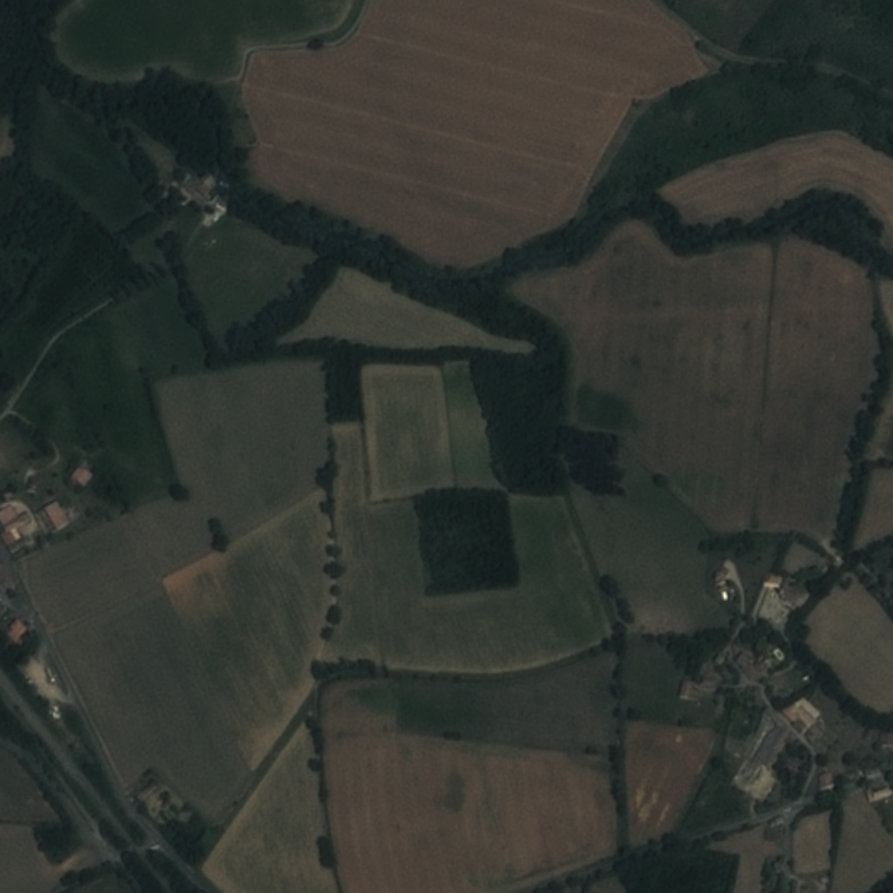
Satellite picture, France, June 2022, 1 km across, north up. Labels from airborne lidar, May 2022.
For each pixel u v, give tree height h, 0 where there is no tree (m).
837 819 8
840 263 0
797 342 0
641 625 0
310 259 0
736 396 0
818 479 0
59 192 21
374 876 0
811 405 0
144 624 0
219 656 0
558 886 17
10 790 0
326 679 11
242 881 0
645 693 0
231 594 0
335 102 0
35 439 13
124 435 0
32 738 13
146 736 0
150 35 0
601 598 0
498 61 0
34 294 15
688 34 0
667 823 0
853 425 0
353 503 0
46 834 12
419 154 0
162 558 0
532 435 22
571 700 0
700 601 0
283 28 0
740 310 0
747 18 0
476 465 0
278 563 0
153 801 0
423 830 0
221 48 0
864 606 0
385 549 0
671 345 0
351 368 12
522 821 0
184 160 16
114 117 17
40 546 7
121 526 0
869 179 0
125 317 0
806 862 0
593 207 12
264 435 0
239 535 0
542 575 0
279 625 0
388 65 0
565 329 0
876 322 8
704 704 0
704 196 0
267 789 0
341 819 0
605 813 0
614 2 0
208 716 0
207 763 0
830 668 10
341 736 0
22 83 20
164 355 0
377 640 0
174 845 9
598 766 0
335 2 0
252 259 0
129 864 15
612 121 0
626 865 17
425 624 0
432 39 0
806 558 0
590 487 32
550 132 0
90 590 0
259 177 0
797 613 9
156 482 0
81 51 0
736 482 0
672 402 0
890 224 0
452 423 0
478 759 0
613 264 0
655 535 0
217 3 0
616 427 0
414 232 0
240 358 17
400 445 0
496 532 9
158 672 0
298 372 0
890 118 8
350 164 0
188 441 0
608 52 0
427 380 0
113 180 0
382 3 0
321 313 0
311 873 0
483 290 32
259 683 0
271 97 0
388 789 0
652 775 0
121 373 0
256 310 0
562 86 0
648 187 17
